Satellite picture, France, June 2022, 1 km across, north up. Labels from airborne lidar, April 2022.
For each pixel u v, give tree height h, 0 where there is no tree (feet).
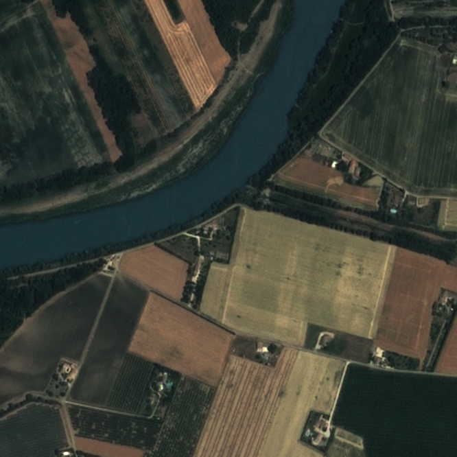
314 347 0
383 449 17
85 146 0
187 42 0
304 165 0
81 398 0
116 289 0
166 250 30
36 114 0
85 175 66
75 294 0
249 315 0
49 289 31
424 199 0
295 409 0
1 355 0
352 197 0
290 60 0
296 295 0
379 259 0
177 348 0
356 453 0
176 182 0
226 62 0
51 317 0
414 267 0
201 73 0
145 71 0
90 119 0
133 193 0
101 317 0
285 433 0
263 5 24
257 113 0
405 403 18
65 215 0
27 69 0
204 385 0
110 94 46
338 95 59
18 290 48
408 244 66
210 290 0
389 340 0
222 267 0
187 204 0
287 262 0
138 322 0
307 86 22
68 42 0
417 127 0
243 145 0
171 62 0
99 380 0
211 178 0
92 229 0
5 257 0
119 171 63
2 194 65
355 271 0
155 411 0
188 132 0
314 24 0
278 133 0
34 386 0
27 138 0
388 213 53
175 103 0
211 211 60
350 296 0
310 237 0
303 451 0
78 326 0
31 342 0
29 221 0
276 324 0
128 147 31
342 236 0
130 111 28
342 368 0
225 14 30
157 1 0
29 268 55
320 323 0
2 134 0
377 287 0
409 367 18
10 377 0
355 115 0
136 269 0
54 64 0
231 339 0
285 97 0
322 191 0
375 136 0
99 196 0
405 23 61
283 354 0
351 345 0
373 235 67
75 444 0
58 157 0
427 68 0
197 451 0
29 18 0
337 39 30
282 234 0
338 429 0
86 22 37
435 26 37
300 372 0
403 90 0
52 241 0
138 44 0
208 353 0
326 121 49
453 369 0
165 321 0
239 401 0
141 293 0
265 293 0
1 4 0
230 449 0
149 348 0
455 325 0
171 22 0
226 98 0
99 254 69
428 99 0
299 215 67
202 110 30
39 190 46
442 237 30
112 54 0
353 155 0
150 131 0
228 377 0
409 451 18
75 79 0
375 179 0
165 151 0
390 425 17
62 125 0
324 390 0
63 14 47
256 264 0
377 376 17
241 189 0
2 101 0
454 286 0
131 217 0
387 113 0
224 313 0
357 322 0
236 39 25
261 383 0
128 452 0
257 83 0
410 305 0
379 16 90
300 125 50
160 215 0
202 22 0
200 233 24
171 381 25
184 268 0
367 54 70
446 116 0
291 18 0
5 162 0
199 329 0
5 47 0
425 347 0
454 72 0
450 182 0
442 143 0
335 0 0
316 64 33
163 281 0
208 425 0
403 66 0
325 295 0
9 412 36
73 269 34
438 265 0
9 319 39
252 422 0
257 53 0
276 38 0
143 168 0
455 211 0
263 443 0
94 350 0
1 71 0
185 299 27
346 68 52
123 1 0
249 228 0
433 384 18
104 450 0
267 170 71
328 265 0
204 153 0
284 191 76
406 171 0
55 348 0
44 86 0
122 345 0
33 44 0
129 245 24
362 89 0
